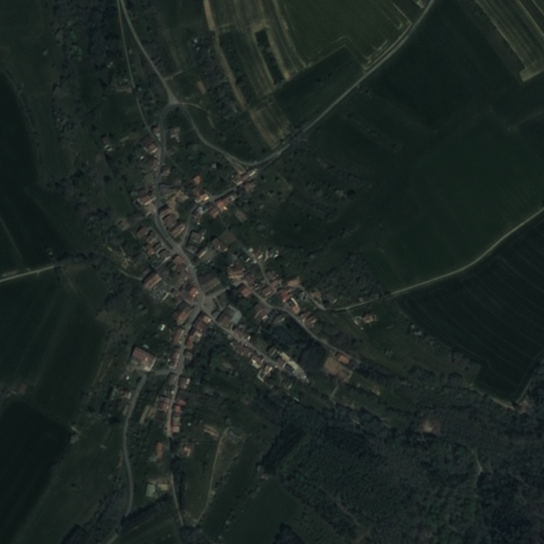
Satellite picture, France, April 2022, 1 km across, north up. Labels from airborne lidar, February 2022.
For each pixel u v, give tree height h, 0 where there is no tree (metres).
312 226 0
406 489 16
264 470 13
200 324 0
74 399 0
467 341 0
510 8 0
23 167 0
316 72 0
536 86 0
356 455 18
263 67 0
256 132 0
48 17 0
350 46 0
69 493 0
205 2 0
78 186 24
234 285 0
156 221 0
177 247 0
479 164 0
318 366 24
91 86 0
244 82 12
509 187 0
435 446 19
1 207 0
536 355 0
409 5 0
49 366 0
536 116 0
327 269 0
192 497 0
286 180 0
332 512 18
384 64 0
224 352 10
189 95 0
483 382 0
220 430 0
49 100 0
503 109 0
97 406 0
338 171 8
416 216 0
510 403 0
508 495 16
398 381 17
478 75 0
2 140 0
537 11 0
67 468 0
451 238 0
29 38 0
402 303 0
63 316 0
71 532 0
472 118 0
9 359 0
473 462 21
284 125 0
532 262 0
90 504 0
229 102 15
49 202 0
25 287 0
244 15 0
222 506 0
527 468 15
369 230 0
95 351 0
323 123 0
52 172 0
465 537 23
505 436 27
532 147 0
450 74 0
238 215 0
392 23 0
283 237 0
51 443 0
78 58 8
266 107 0
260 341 0
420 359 0
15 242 0
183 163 11
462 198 0
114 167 23
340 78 0
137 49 0
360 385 11
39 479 0
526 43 0
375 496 17
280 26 0
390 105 0
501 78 0
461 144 0
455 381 20
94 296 0
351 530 17
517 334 0
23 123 0
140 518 18
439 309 0
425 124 0
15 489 0
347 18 0
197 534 22
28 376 0
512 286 0
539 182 0
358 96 0
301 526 6
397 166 0
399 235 0
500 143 0
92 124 0
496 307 0
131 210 0
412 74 0
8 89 0
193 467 0
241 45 0
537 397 18
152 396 11
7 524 0
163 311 0
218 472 0
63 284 16
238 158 0
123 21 0
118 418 0
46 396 0
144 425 0
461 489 26
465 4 0
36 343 0
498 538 35
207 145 0
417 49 0
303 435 15
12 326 0
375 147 0
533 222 0
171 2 0
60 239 0
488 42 0
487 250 0
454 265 0
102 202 0
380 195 0
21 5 0
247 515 0
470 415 26
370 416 25
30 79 0
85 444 0
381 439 23
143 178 0
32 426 0
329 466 18
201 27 0
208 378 9
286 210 0
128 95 0
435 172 0
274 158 0
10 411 0
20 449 0
